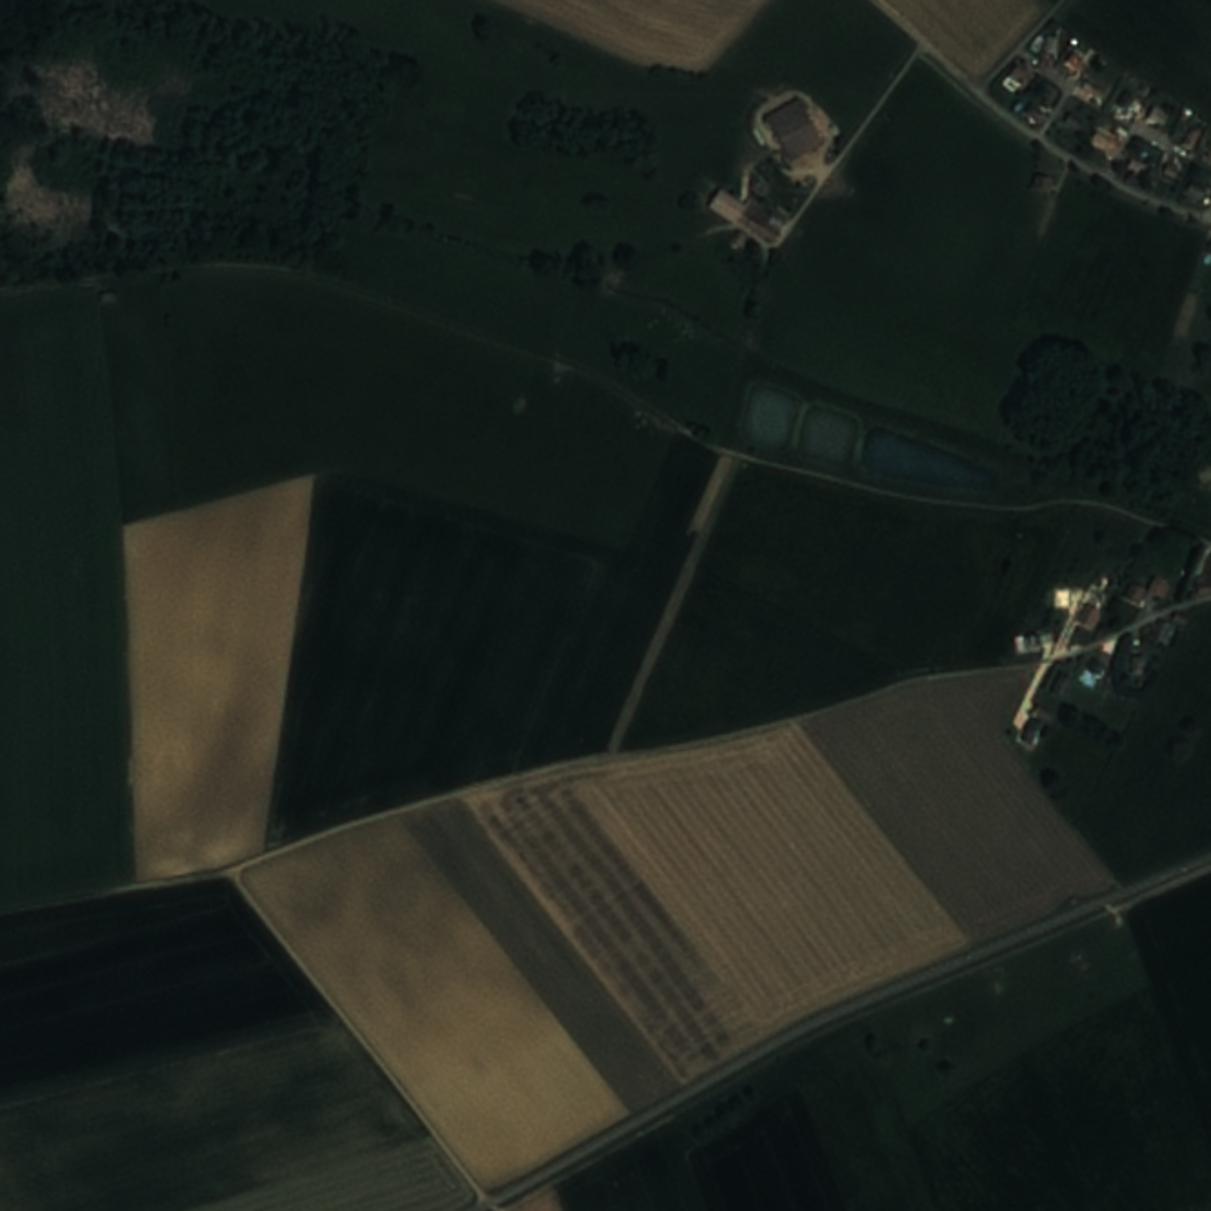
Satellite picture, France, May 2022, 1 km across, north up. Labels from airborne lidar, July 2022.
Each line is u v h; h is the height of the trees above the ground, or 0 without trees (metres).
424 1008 0
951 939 0
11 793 0
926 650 0
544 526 0
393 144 0
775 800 0
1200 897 0
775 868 0
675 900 0
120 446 0
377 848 0
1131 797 0
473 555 0
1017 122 0
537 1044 0
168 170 20
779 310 0
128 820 0
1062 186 0
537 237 0
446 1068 0
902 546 0
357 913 0
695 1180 0
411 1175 0
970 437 0
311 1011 0
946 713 0
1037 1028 0
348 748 0
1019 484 0
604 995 0
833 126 0
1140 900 0
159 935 0
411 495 0
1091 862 0
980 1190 0
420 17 0
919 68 0
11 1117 0
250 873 0
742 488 0
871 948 0
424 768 0
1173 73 0
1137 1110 0
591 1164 0
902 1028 0
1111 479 15
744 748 0
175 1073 0
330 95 30
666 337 0
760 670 0
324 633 0
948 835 0
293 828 0
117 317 0
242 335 0
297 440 0
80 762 0
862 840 0
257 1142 0
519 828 0
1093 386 30
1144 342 0
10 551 0
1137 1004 0
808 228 0
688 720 0
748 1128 0
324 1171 0
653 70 6
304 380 0
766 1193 0
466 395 0
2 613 0
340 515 0
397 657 0
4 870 0
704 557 0
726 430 0
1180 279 0
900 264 0
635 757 0
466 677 0
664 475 0
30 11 24
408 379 0
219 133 18
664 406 0
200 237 19
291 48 6
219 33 19
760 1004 0
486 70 0
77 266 6
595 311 0
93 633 0
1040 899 0
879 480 0
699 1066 0
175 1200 0
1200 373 13
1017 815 0
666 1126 0
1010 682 0
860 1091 0
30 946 0
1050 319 0
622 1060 0
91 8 13
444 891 0
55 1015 0
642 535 0
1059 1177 0
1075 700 0
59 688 0
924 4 0
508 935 0
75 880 0
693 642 0
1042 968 0
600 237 0
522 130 20
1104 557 0
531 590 0
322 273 8
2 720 0
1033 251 0
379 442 0
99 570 0
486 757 0
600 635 0
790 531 0
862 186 0
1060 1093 0
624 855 0
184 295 0
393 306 0
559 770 0
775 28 0
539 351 0
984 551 0
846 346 0
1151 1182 0
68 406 0
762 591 0
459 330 0
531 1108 0
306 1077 0
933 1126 0
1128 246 0
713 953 0
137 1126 0
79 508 0
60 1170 0
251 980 0
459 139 0
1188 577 10
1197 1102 0
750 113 0
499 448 0
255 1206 0
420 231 14
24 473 0
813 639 0
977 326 0
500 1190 0
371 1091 0
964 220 0
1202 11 0
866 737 0
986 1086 0
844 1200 0
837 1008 0
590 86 0
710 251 0
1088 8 0
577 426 0
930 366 0
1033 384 19
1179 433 28
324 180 22
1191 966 0
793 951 0
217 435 0
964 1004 0
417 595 0
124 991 0
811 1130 0
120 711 0
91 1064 0
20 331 0
